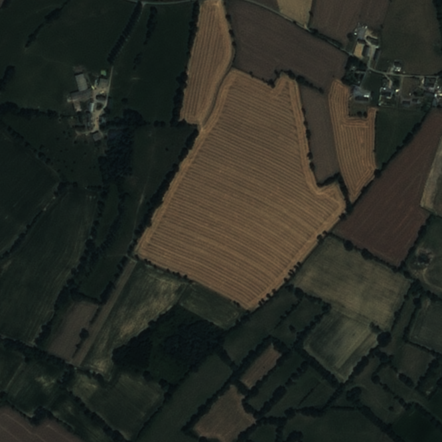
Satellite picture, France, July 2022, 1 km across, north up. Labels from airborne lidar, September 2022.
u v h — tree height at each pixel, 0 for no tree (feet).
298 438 57
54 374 0
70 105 0
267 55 0
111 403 0
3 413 0
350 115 21
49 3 0
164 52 0
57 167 0
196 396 0
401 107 0
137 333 0
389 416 0
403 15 0
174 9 0
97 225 55
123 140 38
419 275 0
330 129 0
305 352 39
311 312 0
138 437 22
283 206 0
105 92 0
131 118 73
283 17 0
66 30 0
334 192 0
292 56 0
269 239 0
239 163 0
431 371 30
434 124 0
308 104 0
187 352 40
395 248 0
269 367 0
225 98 0
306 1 0
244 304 0
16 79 0
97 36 0
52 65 0
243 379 0
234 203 0
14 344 72
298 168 0
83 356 0
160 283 0
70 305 0
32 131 0
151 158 0
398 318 56
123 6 0
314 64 0
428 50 0
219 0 0
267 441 0
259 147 0
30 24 0
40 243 0
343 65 0
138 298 0
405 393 0
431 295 48
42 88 0
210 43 0
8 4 52
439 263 0
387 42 0
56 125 0
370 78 0
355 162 0
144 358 34
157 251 0
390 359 25
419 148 0
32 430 0
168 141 0
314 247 0
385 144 0
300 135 0
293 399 0
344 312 0
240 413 0
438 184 0
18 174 0
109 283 0
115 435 54
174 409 0
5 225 0
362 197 23
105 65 0
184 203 0
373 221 0
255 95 0
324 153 0
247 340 0
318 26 0
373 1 0
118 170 86
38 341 46
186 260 0
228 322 0
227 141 0
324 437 0
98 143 30
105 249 82
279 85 0
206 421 0
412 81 0
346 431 0
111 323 0
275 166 0
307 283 0
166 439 0
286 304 0
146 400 0
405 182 0
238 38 0
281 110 0
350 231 0
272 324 0
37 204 0
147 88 0
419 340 0
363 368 45
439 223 0
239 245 0
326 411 28
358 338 0
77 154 0
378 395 0
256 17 0
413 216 0
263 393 0
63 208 0
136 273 0
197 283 0
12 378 0
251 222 0
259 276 0
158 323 24
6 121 0
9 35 0
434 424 44
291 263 0
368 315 0
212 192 0
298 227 0
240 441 38
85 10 0
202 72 0
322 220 0
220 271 0
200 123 0
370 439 0
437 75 22
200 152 0
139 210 0
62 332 0
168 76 0
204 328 40
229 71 0
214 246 0
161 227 0
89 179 0
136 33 0
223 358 54
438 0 46
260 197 0
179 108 52
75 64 0
